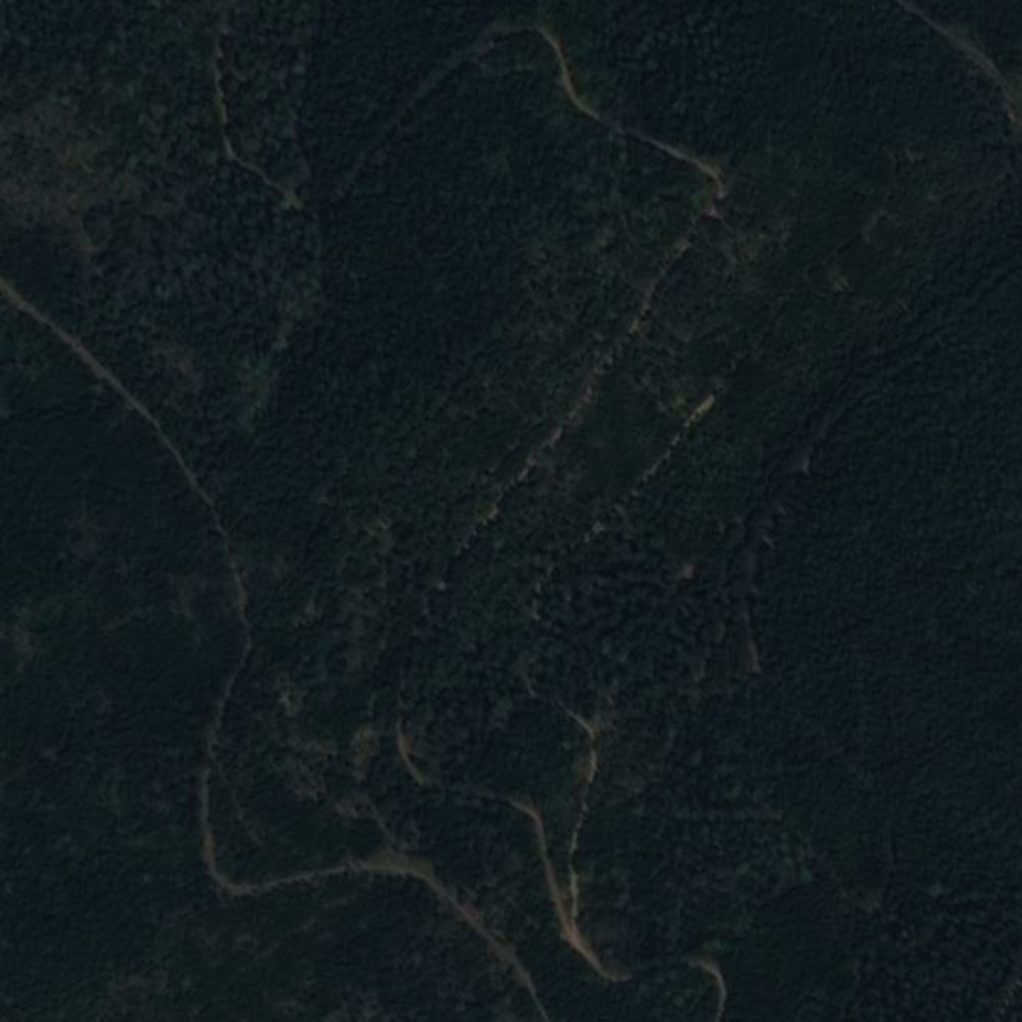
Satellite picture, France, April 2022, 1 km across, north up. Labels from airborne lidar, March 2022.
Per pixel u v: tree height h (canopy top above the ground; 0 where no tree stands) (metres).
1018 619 16
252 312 28
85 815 10
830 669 14
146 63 26
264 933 7
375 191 16
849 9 12
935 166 10
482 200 16
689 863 24
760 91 18
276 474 22
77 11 25
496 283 15
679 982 8
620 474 8
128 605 18
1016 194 18
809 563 19
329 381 20
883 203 17
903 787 13
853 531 10
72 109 12
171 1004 10
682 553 18
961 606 14
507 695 7
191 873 7
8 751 9
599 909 9
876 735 18
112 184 13
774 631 19
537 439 11
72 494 11
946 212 10
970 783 11
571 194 15
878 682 13
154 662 12
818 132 12
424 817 15
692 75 18
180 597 18
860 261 11
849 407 17
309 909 7
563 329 21
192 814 9
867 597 10
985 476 9
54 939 10
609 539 10
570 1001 11
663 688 12
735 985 19
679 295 28
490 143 17
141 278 26
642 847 13
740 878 19
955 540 16
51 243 14
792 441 25
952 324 26
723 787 15
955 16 12
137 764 11
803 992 19
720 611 17
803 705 18
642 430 13
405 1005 6
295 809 9
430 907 11
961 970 18
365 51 20
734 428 13
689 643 7
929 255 13
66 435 12
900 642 18
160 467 16
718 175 0
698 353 8
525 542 7
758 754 15
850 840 9
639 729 12
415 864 14
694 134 18
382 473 18
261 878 6
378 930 7
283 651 15
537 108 12
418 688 32
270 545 19
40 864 14
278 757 12
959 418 17
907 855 14
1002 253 21
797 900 13
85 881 13
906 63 20
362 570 24
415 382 21
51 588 16
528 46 12
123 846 12
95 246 13
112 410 13
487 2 16
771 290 10
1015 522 19
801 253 15
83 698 13
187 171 33
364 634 25
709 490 16
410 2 18
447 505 21
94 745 10
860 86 22
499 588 30
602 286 24
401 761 29
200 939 7
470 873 9
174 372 21
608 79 12
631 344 17
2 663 13
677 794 7
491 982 7
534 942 11
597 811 13
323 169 25
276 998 9
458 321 17
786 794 10
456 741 20
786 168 11
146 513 16
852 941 26
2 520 11
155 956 6
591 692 11
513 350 14
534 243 16
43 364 27
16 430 13
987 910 13
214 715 18
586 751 8
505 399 24
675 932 27
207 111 17
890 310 17
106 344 12
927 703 12
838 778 15
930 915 22
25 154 8
